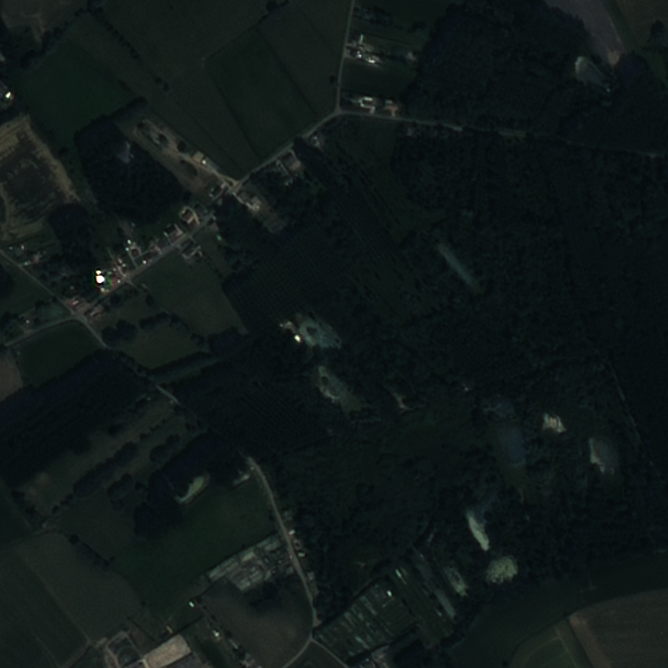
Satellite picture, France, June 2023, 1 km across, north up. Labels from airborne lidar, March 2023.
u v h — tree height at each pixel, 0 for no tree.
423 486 6
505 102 34
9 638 0
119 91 0
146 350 0
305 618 0
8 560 0
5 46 24
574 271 35
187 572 0
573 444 15
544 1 0
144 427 0
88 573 0
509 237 23
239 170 0
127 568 0
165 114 0
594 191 29
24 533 0
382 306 0
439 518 14
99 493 0
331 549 18
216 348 30
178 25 0
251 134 0
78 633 0
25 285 0
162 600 0
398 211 0
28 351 0
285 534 0
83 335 0
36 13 0
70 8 0
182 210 0
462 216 19
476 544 16
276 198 9
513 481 0
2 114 12
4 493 0
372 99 0
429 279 15
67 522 0
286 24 0
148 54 0
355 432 9
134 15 0
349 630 0
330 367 14
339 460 7
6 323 15
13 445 37
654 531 0
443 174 14
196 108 0
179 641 0
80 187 0
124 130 0
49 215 0
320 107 0
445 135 17
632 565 0
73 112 0
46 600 0
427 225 0
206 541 0
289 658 0
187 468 35
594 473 5
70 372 0
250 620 0
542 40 32
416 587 0
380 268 0
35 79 0
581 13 0
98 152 25
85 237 21
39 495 0
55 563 0
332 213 22
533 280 16
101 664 0
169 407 0
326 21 0
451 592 7
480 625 0
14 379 0
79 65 0
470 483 19
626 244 33
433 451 0
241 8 0
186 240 0
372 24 10
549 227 22
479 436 9
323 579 16
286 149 0
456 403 6
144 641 0
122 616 0
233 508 0
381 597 0
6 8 0
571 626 0
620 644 0
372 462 0
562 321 17
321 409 29
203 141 0
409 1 0
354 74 0
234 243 23
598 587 0
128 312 0
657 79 23
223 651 0
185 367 16
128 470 0
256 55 0
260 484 0
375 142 0
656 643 0
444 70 34
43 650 0
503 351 15
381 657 0
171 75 0
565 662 0
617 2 0
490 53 36
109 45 0
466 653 0
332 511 8
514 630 0
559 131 21
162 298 0
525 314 9
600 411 14
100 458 0
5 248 0
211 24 0
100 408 33
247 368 24
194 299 0
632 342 34
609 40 0
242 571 0
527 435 14
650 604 0
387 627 0
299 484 7
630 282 33
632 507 18
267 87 0
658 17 0
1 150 0
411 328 14
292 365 16
